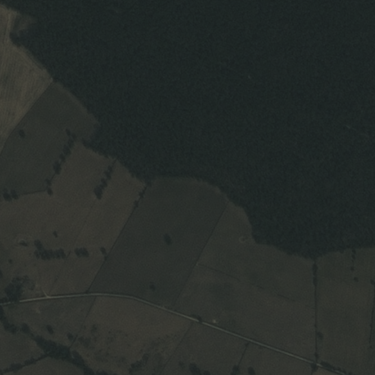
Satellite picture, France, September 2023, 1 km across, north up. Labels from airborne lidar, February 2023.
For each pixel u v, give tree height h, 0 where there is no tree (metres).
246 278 0
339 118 35
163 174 22
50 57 29
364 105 38
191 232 0
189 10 37
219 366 0
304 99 38
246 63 37
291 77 38
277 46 37
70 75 7
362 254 0
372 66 38
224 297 0
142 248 0
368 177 36
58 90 0
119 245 0
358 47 37
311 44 38
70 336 13
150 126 34
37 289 0
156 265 0
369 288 0
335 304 0
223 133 36
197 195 0
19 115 0
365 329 0
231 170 32
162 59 34
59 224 0
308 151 35
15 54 0
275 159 37
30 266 0
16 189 0
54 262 0
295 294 0
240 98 39
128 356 0
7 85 0
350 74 36
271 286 0
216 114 39
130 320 0
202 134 32
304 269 0
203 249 0
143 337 0
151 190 0
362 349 0
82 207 0
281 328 0
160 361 0
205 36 34
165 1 34
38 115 0
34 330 0
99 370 0
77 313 0
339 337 0
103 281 0
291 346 0
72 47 32
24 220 0
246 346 7
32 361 11
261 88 37
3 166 0
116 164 0
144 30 36
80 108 0
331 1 36
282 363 0
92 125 0
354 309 0
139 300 0
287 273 0
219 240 0
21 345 0
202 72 36
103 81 32
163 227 0
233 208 0
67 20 30
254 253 0
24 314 0
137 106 33
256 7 15
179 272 0
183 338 0
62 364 0
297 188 34
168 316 0
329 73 38
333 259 0
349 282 0
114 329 0
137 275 0
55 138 0
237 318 0
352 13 38
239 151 34
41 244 15
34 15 22
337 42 38
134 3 35
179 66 34
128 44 35
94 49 32
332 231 31
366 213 38
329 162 37
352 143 36
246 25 35
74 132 0
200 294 0
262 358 0
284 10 37
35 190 0
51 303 0
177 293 0
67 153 16
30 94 0
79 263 0
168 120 35
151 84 35
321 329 0
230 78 34
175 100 36
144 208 0
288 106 36
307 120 24
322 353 0
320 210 31
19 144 0
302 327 0
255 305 0
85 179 0
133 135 31
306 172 35
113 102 30
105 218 0
